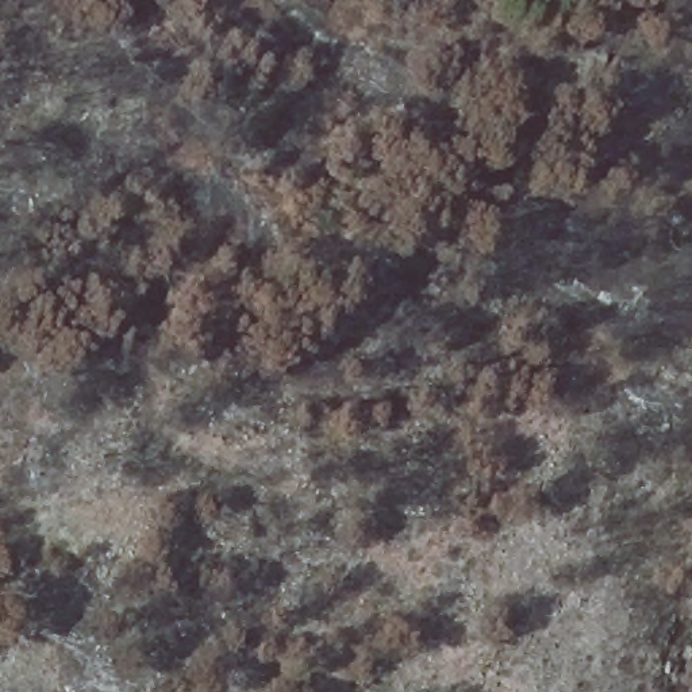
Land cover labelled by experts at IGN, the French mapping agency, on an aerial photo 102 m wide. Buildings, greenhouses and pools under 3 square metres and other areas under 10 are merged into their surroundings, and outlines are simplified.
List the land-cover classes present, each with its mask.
<instances>
[{"label":"coniferous trees","instance_id":"1","mask_svg":"<svg viewBox=\"0 0 692 692\"><path fill-rule=\"evenodd\" d=\"M65 24L73 41L95 43L100 49H116L132 27L149 30L154 49L141 51L138 59H159L157 76L168 84H178L176 108L192 114V124L200 135L208 138V143H187L184 149H178L176 143H165L159 149L141 146L138 157H130L114 178L103 181L100 197H92L89 208H84L78 230L89 241L81 246L78 254H65L59 260V268L46 278L38 268H32L27 278L11 276L0 284V373L8 370L14 362H22L24 370H30L46 389H51L54 397L62 400V411L68 414V419L89 422L105 403L124 408L127 400L135 395V387L149 378L146 370L157 368L173 384L192 387L184 403H178L181 424L189 435L197 427L222 419V414L230 405H257L265 419L308 438V454L303 457V462L311 473V481L305 487H297L289 497H284L281 484L289 478L287 468H278L273 473L246 468L224 470L203 462L197 454L181 451V446H176L168 435H154V430H141L132 435L124 476L138 478L143 495L159 503L157 508H151V533L143 541L146 551L143 557H135L130 562L114 554L108 543H89L78 551V557L84 560L78 570V584L89 592V606L73 630L78 635H95L100 643H108L111 638H119L127 630H138V660L143 662V668L165 673V681L154 684L151 692H395L392 670L400 662H411L416 654L435 651L441 646H460L465 641V627L454 622V616H446V611L457 600L465 597L462 592H443L438 597L422 600L416 611H389L384 616H368L362 624L343 627L335 635H295V627L305 622H327L330 611L338 603L351 600L373 584V578L381 570L368 560V549L381 541H395L400 530H405V505H424L427 514L438 522L451 516H468L473 522V535L481 541L495 535L500 527H519L541 516L535 495L546 489L557 476L568 473V454L592 451L597 433H616L622 424H633L646 411V397L635 389L619 392L611 408H600L584 416H570L568 405L551 397L554 376L549 351L557 349L554 327L560 324V311L576 300H600L608 305L611 292H600L597 287H589L584 281H560L524 295H511L505 300H489V311L478 308L476 303L478 289L492 276L497 257L505 251V232L514 224V219H546L565 224V230L576 224L595 230L600 243L619 241L630 219L627 205L635 195V187L627 178V170L616 168L624 157H630V143L622 127V97L611 84L616 81L619 70L657 68L668 57L665 35L676 43H692V0H70L65 5ZM73 551L65 549L62 541L57 546L46 543L38 535L35 511H22L14 500H5L0 495V654L14 649L16 619L24 614L22 606L32 600V595L24 589V581L30 576L46 573L59 576Z\"/></svg>","mask_w":692,"mask_h":692},{"label":"bare soil","instance_id":"2","mask_svg":"<svg viewBox=\"0 0 692 692\"><path fill-rule=\"evenodd\" d=\"M70 0H0V284L11 276L27 278L32 268H38L46 278L59 268V260L65 254H78L81 246L89 241L78 230L84 208H89L92 197H100L103 181L114 178L130 157H138L141 146L159 149L165 143H176L178 149H184L187 143H208V138L200 135L192 124V114L176 108L178 84H168L157 76L159 59H138L141 51L154 49L149 30L132 27L116 49H100L95 43L73 41L65 24V5ZM668 57L657 68L619 70L616 81L611 84L622 97V127L630 143V157H624L616 168L627 170V178L635 187V195L627 205L630 219L619 241L600 243L595 230L576 224L565 230V224L546 219H514V224L505 232V251L497 257L492 276L478 289L476 303L478 308L489 311V300H505L511 295H524L560 281H584L589 287H597L600 292H611L608 305L600 300H576L560 311V324L554 327L557 349L549 351L554 376L551 397L568 405L570 416H584L600 408H611L619 392L635 389L646 397V411L633 424H622L616 433H597L592 451L568 454V473L557 476L546 489L535 495L541 516L519 527H500L495 535L481 541L473 535V522L468 516H451L438 522L427 514L424 505H405V530H400L395 541H381L368 549V560L381 570L373 578V584L351 600L338 603L330 611L327 622H305L295 627V635H335L343 627L362 624L368 616H384L389 611H416L422 600L438 597L443 592H462L465 597L457 600L446 611V616H454V622L465 627V641L460 646H441L435 651L416 654L411 662H400L392 670L395 692H692V43H676L665 35ZM149 378L135 387V395L127 400L124 408L105 403L89 422L68 419V414L62 411V400L54 397L51 389H46L30 370H24L22 362H14L8 370L0 373V495L5 500H14L22 511H35L38 535L46 543L57 546L62 541L65 549L73 551L59 576L46 573L30 576L24 581V589L32 595V600L22 606L24 614L16 619L14 649L0 654V692H151L154 684L165 681V673L143 668V662L138 660V630H127L119 638H111L108 643H100L95 635H78L73 630L89 606V592L78 584V570L84 560L78 557V551L89 543H108L114 554L130 562L135 557H143L146 551L143 541L151 533V508H157L159 503L143 495L138 478L124 476L132 435L141 430H154V435H168L176 446H181V451L197 454L203 462L224 470L246 468L273 473L278 468H287L289 478L281 484L284 497H289L297 487H305L311 481V473L303 462V457L308 454V438L265 419L257 405H230L222 414V419L197 427L189 435L181 424L178 403H184L192 387L173 384L157 368L146 370Z\"/></svg>","mask_w":692,"mask_h":692}]
</instances>
